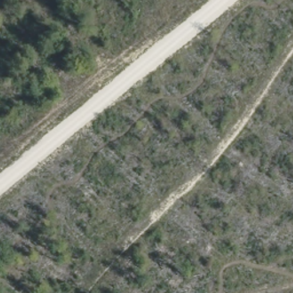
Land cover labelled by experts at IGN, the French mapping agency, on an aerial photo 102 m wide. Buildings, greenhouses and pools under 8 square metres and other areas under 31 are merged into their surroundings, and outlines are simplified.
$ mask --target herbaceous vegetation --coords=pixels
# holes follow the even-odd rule
[[[280,256],[272,262],[278,268],[293,267],[293,240],[285,250],[280,250]]]
[[[235,5],[198,32],[191,41],[166,58],[155,71],[136,81],[118,98],[118,101],[109,106],[114,113],[122,114],[136,122],[135,133],[140,135],[144,142],[148,142],[150,135],[156,130],[143,116],[145,111],[152,112],[151,104],[164,100],[168,102],[168,106],[179,106],[198,125],[195,135],[196,155],[201,161],[213,157],[213,150],[223,138],[232,134],[231,127],[238,119],[244,118],[246,105],[256,101],[271,78],[272,72],[286,55],[285,46],[278,46],[274,53],[269,53],[269,25],[290,25],[290,33],[286,38],[288,41],[293,40],[293,0],[238,0]],[[198,101],[203,101],[205,112],[227,112],[227,116],[222,120],[221,129],[216,129],[207,118],[201,116],[199,110],[193,106]]]
[[[237,137],[258,135],[266,146],[264,151],[271,153],[272,156],[275,152],[279,156],[286,155],[293,166],[293,86],[286,84],[278,76],[266,97],[256,108],[252,119],[247,121]]]
[[[140,15],[141,21],[150,27],[150,31],[144,31],[142,37],[135,39],[120,55],[113,58],[103,58],[103,52],[98,55],[96,72],[84,76],[86,79],[82,85],[66,89],[63,100],[52,106],[45,117],[34,122],[21,135],[0,135],[0,174],[37,144],[49,130],[81,108],[98,90],[108,85],[127,66],[148,52],[157,41],[172,32],[191,14],[196,13],[208,0],[156,0],[155,6],[146,7]]]

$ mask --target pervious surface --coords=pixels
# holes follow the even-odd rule
[[[256,108],[266,97],[278,76],[286,84],[293,86],[293,47],[286,55],[272,72],[271,78],[256,101],[246,105],[244,118],[238,119],[231,127],[232,134],[223,138],[213,150],[213,157],[211,165],[214,166],[237,137],[247,121],[252,119]]]
[[[148,52],[127,66],[108,85],[98,90],[81,108],[49,130],[37,144],[0,174],[0,196],[109,106],[118,101],[118,98],[136,81],[155,71],[166,58],[191,41],[198,32],[235,5],[238,0],[208,0],[196,13],[191,14],[172,32],[157,41]]]
[[[195,187],[203,177],[198,174],[191,181],[181,185],[180,192],[169,193],[164,203],[160,204],[160,208],[151,213],[151,220],[145,228],[125,238],[125,251],[167,213],[177,199],[187,195]]]

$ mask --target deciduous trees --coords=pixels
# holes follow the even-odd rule
[[[286,55],[293,47],[293,40],[288,41],[286,38],[290,33],[290,25],[269,25],[269,53],[274,53],[278,46],[285,46]]]

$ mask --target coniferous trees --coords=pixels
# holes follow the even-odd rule
[[[293,166],[286,155],[279,156],[275,152],[272,156],[271,153],[264,151],[266,146],[258,135],[237,137],[214,166],[211,165],[213,157],[201,161],[196,155],[195,135],[198,125],[179,106],[168,106],[168,102],[164,100],[151,104],[152,112],[145,111],[143,116],[156,130],[150,135],[148,142],[144,142],[140,135],[135,133],[136,122],[122,114],[114,113],[109,106],[0,196],[0,293],[293,293],[293,267],[278,268],[272,262],[280,256],[280,250],[285,250],[293,240]],[[160,204],[164,203],[169,193],[180,192],[181,185],[191,181],[198,174],[203,177],[195,187],[187,195],[177,199],[167,213],[125,251],[125,238],[145,228],[151,220],[151,213],[160,208]]]
[[[203,101],[198,101],[193,106],[199,110],[201,116],[207,118],[216,129],[221,129],[222,120],[227,116],[227,112],[205,112]]]
[[[0,0],[0,135],[21,135],[34,122],[45,117],[52,106],[63,100],[66,89],[82,85],[86,79],[84,76],[96,72],[98,55],[103,52],[103,58],[113,58],[120,55],[135,39],[142,37],[144,31],[150,31],[150,27],[141,21],[140,15],[146,7],[155,6],[156,0]]]

